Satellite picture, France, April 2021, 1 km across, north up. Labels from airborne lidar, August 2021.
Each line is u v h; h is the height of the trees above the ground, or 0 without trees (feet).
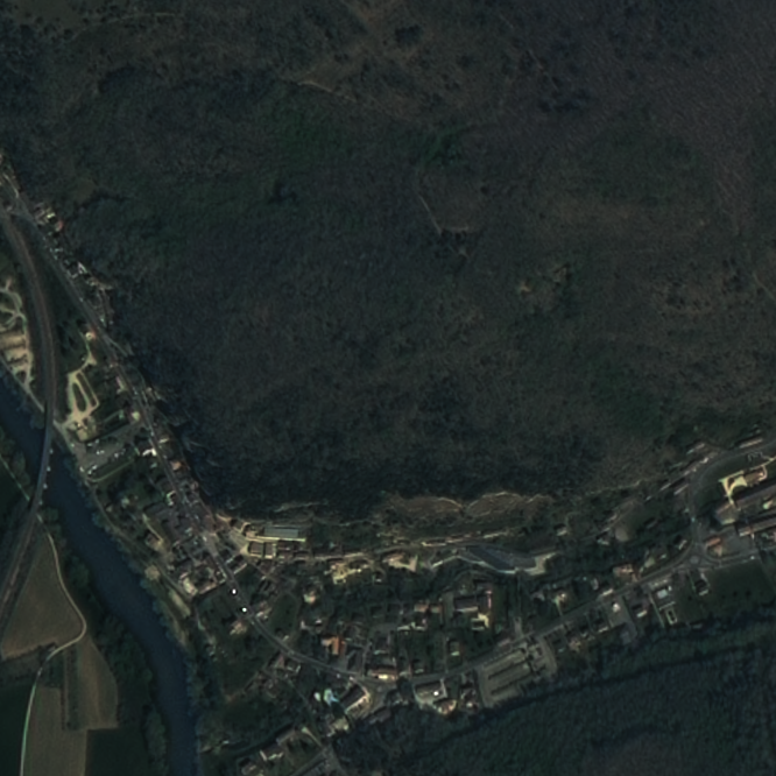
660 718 62
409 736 43
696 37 69
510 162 34
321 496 33
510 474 38
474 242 27
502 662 0
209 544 0
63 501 0
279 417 36
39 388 59
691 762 52
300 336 54
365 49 0
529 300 64
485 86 41
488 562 0
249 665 25
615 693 64
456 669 0
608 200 44
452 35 47
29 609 0
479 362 24
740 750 56
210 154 42
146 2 33
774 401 33
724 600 22
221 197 68
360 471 34
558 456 34
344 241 69
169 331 43
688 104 65
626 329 48
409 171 37
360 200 42
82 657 0
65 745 0
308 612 54
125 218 60
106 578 0
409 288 52
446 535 28
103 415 23
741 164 54
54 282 28
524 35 75
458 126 52
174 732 0
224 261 41
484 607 0
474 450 43
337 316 46
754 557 0
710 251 38
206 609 39
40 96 43
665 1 72
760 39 67
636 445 30
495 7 78
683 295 29
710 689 46
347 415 41
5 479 0
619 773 46
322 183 36
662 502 29
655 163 53
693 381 43
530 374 46
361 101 50
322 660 50
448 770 36
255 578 29
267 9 49
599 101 58
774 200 38
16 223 43
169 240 40
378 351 50
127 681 21
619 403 54
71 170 45
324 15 44
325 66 0
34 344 55
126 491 55
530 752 62
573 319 58
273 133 56
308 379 44
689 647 65
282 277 48
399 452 52
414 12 41
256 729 38
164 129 32
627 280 43
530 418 45
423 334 46
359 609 29
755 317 35
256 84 63
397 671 18
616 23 51
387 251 50
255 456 47
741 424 18
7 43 33
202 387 41
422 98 52
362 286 52
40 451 0
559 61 76
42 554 0
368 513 32
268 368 46
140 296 34
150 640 0
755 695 52
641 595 34
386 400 41
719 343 38
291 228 57
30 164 38
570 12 66
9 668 24
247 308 35
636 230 40
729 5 68
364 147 58
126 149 47
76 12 42
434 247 54
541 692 46
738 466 0
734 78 69
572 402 47
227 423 48
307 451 51
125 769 0
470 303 43
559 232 48
